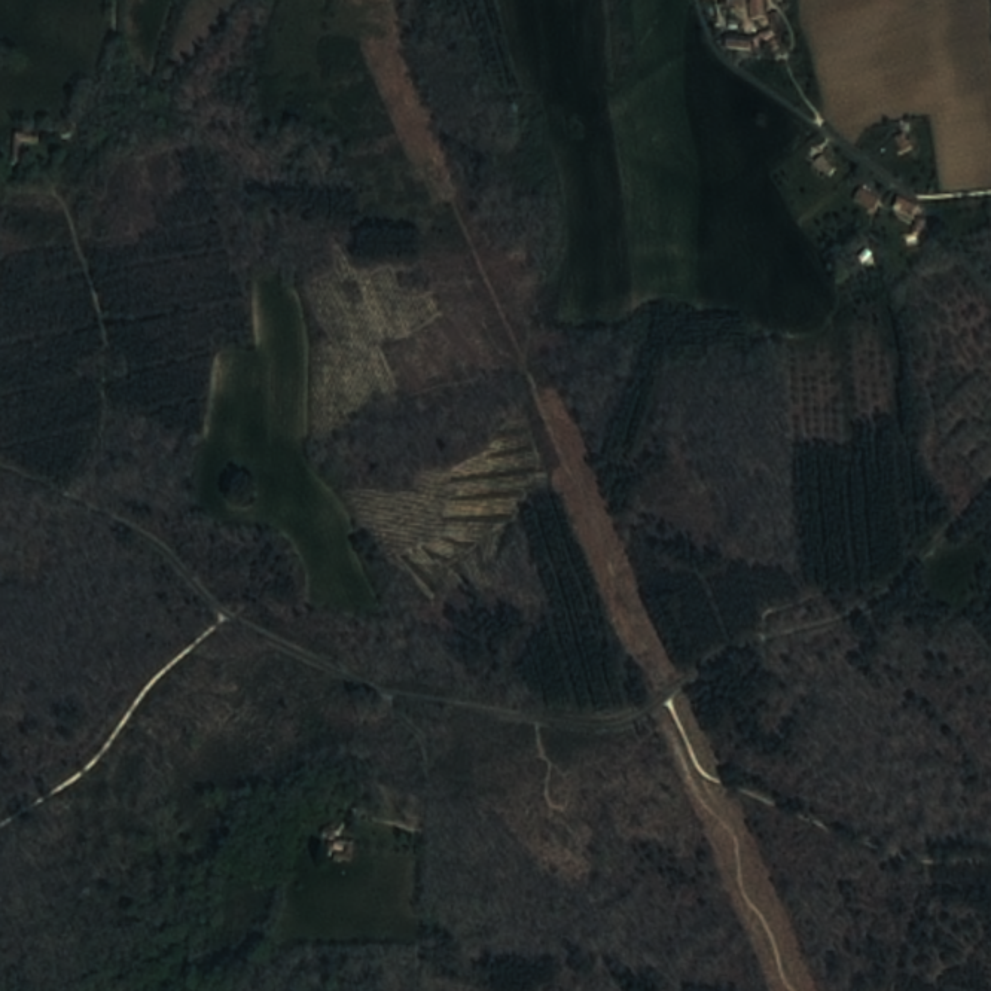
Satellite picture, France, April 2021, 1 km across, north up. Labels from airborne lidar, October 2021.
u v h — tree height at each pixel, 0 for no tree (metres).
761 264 0
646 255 0
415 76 10
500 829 18
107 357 11
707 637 11
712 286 0
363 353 0
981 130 0
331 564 0
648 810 15
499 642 23
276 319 0
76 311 13
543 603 7
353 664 7
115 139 18
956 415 10
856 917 10
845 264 23
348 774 21
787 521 21
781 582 11
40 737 26
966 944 12
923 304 11
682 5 0
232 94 10
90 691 16
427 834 15
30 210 5
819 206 0
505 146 21
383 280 0
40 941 28
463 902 23
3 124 0
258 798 25
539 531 16
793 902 22
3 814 6
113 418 14
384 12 0
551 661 16
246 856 22
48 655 22
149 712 15
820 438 11
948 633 11
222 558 9
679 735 0
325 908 0
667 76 0
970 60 0
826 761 10
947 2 0
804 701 10
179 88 8
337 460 14
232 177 10
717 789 0
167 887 26
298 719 7
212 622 13
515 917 15
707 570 24
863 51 0
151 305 11
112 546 14
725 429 26
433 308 0
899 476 13
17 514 14
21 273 8
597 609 10
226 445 0
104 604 18
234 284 8
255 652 5
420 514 0
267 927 17
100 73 9
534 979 18
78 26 0
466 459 7
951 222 0
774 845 7
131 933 20
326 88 0
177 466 15
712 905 7
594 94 0
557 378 8
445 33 16
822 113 0
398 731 7
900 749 10
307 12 0
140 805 18
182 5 7
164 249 7
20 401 13
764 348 20
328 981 17
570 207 0
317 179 17
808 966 21
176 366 10
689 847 7
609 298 0
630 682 6
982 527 13
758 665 19
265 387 0
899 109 0
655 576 10
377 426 14
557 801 6
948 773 14
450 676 12
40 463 12
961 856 21
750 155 0
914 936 16
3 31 0
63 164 8
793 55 7
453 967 16
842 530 16
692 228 0
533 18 0
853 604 11
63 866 23
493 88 9
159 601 8
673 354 9
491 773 8
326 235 7
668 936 7
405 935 0
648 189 0
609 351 16
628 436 11
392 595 16
